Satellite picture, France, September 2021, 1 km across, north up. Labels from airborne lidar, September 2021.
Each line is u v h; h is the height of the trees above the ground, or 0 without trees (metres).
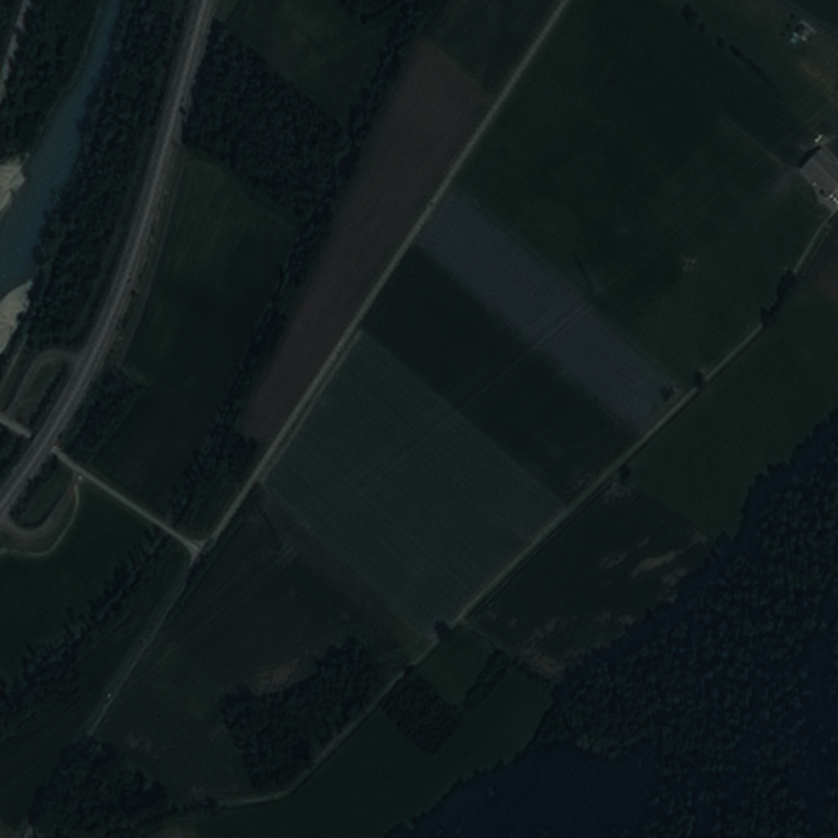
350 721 14
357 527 0
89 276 17
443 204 0
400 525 0
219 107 25
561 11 0
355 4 22
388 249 0
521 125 0
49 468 8
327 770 0
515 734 0
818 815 38
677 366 0
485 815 32
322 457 0
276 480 0
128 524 0
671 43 0
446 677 0
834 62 0
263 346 21
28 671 15
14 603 0
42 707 21
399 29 13
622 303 0
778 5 0
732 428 0
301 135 28
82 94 0
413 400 0
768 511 28
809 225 0
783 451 0
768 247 0
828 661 31
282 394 0
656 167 0
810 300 0
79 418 12
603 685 20
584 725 28
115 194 19
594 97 0
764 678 33
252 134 24
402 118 0
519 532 0
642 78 0
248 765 13
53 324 7
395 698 8
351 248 0
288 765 28
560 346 0
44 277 10
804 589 26
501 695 0
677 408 0
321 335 0
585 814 34
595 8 0
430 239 0
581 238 0
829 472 20
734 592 27
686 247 0
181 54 0
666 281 0
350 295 0
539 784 7
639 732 28
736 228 0
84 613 0
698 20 19
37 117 9
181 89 0
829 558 29
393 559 0
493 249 0
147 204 0
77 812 22
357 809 0
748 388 0
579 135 0
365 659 23
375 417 0
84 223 24
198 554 0
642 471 0
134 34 20
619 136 0
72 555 0
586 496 0
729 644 27
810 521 23
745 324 0
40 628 0
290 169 21
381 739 0
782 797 30
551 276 0
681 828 31
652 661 28
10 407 0
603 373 0
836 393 0
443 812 0
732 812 33
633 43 0
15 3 16
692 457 0
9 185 0
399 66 16
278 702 8
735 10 0
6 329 0
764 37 0
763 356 0
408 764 0
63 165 0
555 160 0
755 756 30
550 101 0
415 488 0
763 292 0
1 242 0
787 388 0
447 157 0
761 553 27
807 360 0
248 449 17
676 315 0
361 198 0
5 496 0
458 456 0
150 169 0
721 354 0
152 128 11
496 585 0
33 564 0
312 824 0
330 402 0
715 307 0
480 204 0
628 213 0
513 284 0
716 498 0
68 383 0
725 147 0
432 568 0
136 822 32
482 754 0
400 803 0
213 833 0
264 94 24
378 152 0
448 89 0
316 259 10
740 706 28
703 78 0
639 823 26
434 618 0
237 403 19
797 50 0
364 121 22
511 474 0
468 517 0
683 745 23
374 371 0
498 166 0
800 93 0
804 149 0
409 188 0
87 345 0
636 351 0
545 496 0
